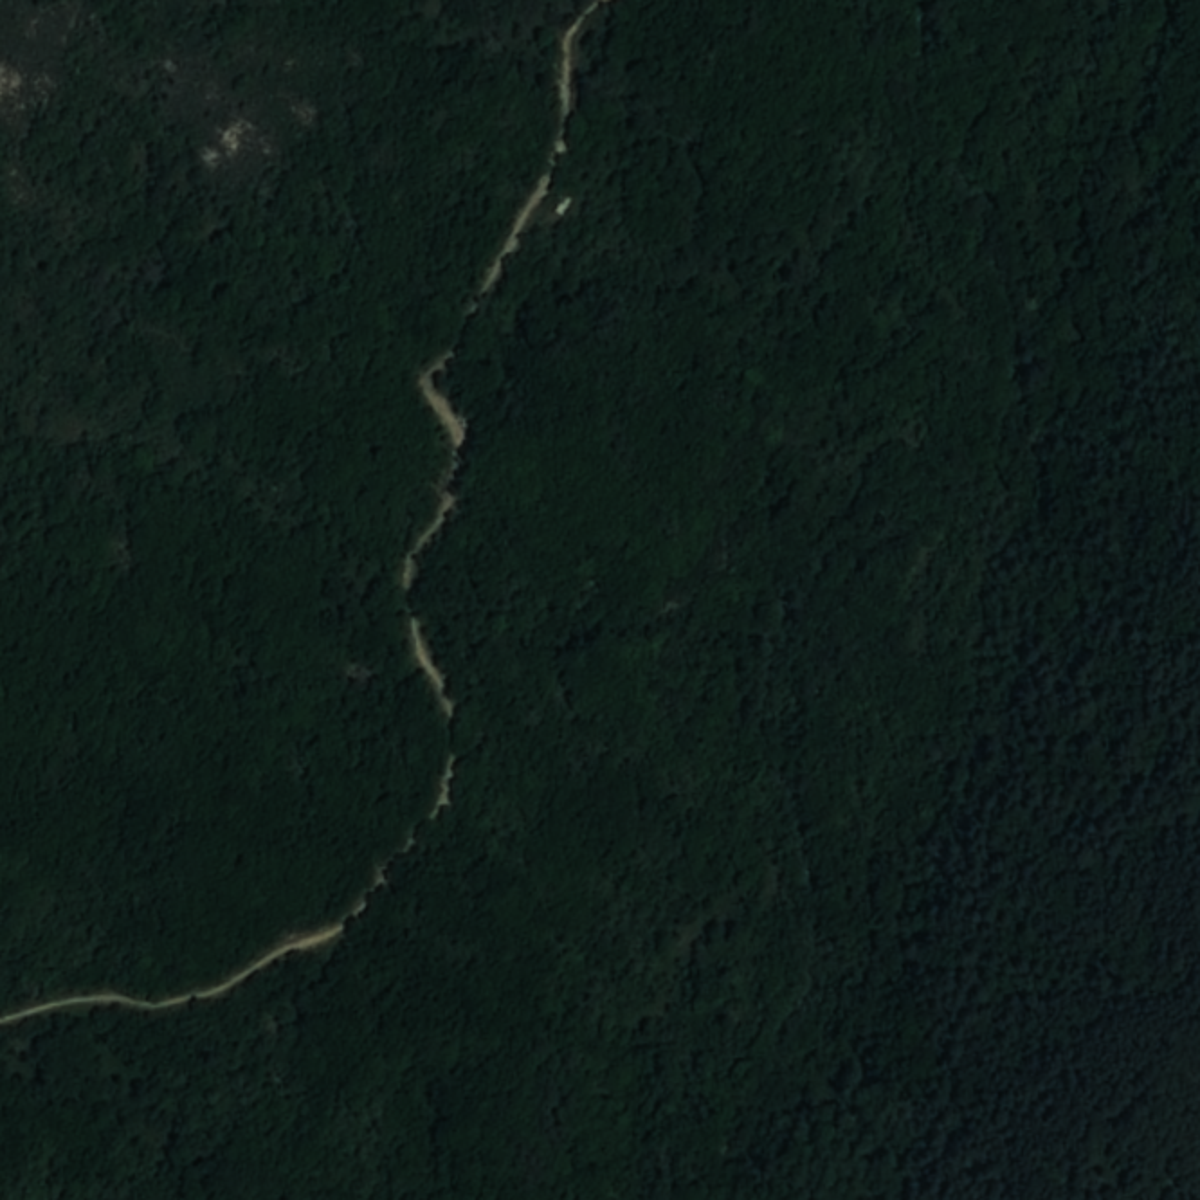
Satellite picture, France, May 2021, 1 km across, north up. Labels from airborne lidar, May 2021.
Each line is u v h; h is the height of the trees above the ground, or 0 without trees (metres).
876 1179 24
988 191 25
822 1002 8
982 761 19
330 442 17
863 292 7
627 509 23
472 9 24
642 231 17
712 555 18
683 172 25
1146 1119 35
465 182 12
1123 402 15
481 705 17
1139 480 17
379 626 23
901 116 29
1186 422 17
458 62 13
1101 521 25
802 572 23
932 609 10
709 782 11
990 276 24
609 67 26
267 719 19
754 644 19
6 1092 30
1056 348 23
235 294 19
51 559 14
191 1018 11
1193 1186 31
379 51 12
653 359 19
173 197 19
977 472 23
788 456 19
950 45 16
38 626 15
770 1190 15
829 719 18
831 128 17
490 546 13
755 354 22
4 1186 20
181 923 14
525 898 14
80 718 14
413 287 8
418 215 13
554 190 10
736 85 15
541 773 16
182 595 19
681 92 18
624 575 23
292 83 5
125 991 15
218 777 17
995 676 11
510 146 17
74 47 10
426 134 12
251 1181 29
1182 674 17
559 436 22
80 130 14
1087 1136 22
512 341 30
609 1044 20
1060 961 18
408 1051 18
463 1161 21
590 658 21
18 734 15
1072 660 12
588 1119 24
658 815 16
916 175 14
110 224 9
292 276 9
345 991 20
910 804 8
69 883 9
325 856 14
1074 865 15
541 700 16
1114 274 28
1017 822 23
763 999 13
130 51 10
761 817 17
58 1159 11
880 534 21
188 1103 15
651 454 25
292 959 14
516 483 20
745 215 13
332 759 17
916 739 11
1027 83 12
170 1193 7
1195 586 20
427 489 17
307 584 24
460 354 12
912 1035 27
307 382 20
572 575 20
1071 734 16
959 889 31
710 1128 25
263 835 16
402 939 7
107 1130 18
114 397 8
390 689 15
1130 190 23
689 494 22
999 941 18
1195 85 15
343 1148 17
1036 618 20
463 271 11
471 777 18
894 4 27
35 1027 17
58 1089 27
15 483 8
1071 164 14
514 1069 14
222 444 10
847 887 14
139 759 10
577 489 24
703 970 19
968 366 13
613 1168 14
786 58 18
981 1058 25
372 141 6
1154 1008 31
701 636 21
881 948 25
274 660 22
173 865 15
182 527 19
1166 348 33
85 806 16
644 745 19
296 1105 16
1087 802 15
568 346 27
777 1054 24
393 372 22
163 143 11
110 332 8
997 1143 30
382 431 17
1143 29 23
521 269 20
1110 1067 32
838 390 13
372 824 21
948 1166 34
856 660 17
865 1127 10
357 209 14
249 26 10
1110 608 23
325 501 15
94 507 14
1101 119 14
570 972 17
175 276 19
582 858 15
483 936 14
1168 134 24
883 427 12
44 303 11
